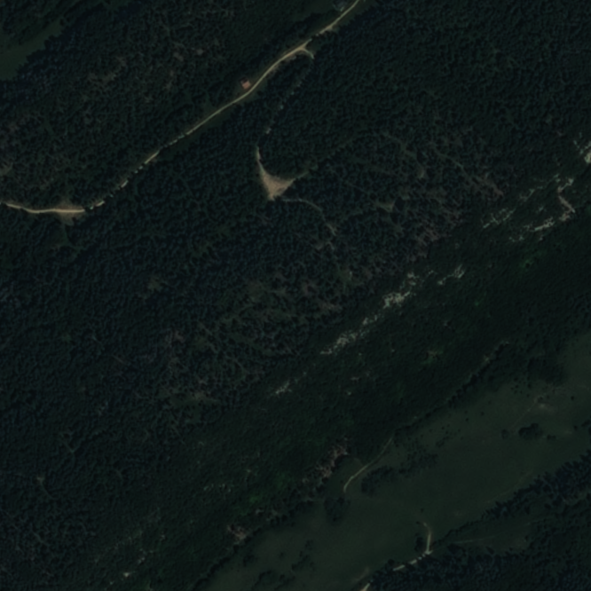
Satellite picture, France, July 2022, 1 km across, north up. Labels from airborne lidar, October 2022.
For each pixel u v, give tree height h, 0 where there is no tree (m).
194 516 16
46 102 19
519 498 6
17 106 22
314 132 13
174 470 11
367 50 25
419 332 16
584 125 15
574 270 28
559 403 0
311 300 7
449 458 0
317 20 21
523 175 9
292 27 15
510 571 29
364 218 18
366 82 7
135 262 20
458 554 29
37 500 24
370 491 16
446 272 11
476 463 0
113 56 15
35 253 14
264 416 15
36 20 15
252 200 14
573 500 23
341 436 28
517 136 24
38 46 0
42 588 21
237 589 0
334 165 31
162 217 21
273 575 11
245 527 27
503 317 30
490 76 10
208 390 26
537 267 27
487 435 0
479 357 32
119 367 26
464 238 10
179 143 9
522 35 22
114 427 12
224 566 26
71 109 13
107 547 10
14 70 0
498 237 15
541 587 24
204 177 18
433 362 30
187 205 18
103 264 29
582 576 10
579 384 0
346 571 0
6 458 31
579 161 9
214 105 12
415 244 25
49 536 7
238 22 19
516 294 29
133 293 31
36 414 19
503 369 17
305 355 16
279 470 21
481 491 0
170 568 26
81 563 14
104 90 17
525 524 0
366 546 0
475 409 0
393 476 19
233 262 26
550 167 17
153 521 7
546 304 29
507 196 9
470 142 19
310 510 26
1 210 23
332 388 14
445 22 19
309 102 18
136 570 14
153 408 11
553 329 24
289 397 10
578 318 23
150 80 15
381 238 8
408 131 13
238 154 15
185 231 14
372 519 0
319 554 0
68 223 0
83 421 15
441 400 28
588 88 20
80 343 11
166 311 31
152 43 24
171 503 19
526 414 0
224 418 16
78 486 19
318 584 0
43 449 18
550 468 0
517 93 16
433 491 0
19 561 23
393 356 14
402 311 11
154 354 26
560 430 0
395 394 30
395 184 23
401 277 11
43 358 29
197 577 24
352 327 11
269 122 18
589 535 6
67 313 23
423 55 26
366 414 31
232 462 16
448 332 28
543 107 21
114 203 23
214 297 16
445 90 25
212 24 15
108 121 14
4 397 22
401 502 0
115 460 21
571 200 10
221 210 26
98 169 14
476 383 28
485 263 19
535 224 9
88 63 13
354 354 12
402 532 0
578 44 21
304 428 17
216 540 26
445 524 0
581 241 25
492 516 15
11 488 13
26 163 12
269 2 16
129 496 20
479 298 23
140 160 16
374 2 0
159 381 17
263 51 16
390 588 17
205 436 9
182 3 15
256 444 17
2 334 22
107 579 16
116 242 33
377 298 9
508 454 0
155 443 9
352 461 7
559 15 26
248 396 19
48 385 29
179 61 24
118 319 24
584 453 0
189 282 26
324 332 18
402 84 18
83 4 15
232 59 24
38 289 30
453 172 14
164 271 12
